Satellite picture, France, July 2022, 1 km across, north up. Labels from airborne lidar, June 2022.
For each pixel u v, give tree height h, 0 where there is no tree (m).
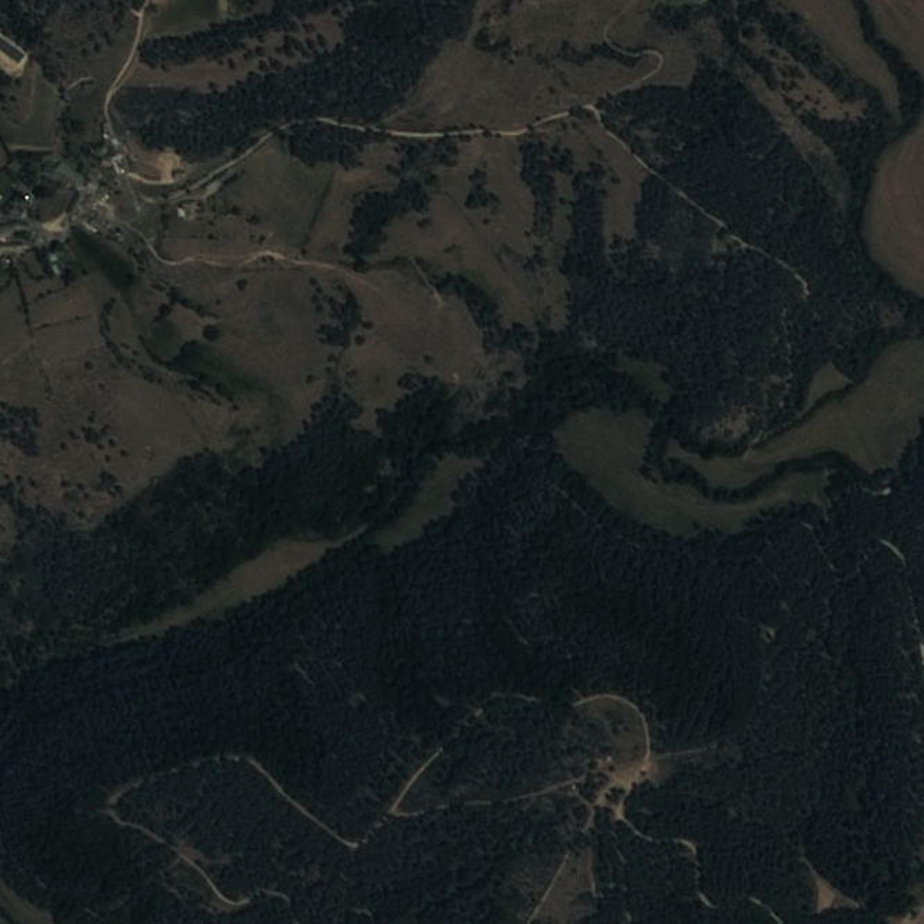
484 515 14
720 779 12
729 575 20
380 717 15
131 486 0
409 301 0
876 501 14
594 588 16
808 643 15
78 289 0
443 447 16
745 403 12
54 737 16
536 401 17
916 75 9
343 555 19
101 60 0
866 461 0
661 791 12
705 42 0
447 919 14
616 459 0
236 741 15
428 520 0
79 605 13
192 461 7
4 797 19
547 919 0
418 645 14
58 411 0
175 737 12
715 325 13
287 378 0
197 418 0
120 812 8
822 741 18
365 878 16
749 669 16
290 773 15
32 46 12
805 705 16
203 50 11
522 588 16
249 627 22
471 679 15
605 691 14
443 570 17
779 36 12
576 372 17
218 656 17
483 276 0
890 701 20
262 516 19
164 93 0
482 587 17
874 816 27
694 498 0
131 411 0
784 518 6
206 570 9
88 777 16
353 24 9
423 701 19
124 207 0
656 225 13
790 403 19
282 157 0
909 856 15
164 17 0
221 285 0
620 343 11
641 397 8
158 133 8
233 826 14
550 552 16
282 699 16
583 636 14
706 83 18
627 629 15
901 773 16
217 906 0
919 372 0
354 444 16
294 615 14
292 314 0
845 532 20
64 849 16
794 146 18
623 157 0
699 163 15
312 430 12
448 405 10
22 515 15
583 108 9
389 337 0
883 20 0
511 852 12
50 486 0
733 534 0
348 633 15
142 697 16
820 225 20
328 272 0
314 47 13
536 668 19
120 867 15
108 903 14
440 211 0
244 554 8
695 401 6
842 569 24
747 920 19
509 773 13
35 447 13
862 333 8
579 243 6
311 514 13
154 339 0
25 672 14
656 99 17
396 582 22
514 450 24
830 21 0
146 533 9
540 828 14
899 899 26
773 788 19
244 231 0
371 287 0
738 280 9
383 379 0
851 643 14
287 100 9
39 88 0
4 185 0
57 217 0
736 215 16
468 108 0
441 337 0
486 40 7
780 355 12
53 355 0
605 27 0
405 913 17
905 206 0
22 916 0
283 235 0
